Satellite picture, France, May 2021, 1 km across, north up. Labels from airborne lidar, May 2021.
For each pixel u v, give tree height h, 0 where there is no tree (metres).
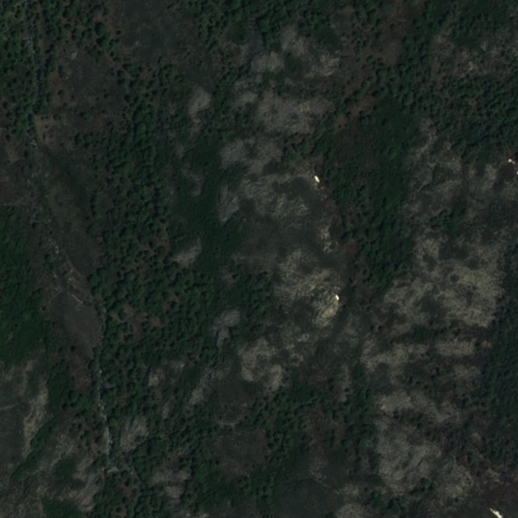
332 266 0
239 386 0
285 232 0
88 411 20
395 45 0
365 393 9
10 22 12
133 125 7
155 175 17
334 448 13
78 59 0
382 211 5
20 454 0
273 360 0
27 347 7
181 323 13
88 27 15
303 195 0
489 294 0
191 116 0
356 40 6
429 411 0
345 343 0
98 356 13
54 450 0
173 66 12
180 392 15
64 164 0
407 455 0
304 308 0
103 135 6
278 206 0
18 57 20
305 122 0
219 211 0
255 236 0
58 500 0
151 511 17
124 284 19
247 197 0
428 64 15
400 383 0
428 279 0
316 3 13
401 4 0
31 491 0
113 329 17
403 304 0
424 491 16
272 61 0
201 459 12
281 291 0
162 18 0
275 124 0
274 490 7
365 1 17
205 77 0
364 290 0
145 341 6
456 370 0
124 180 14
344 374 0
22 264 7
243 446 0
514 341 7
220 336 0
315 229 0
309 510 0
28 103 20
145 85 15
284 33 0
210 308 7
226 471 0
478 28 14
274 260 0
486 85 12
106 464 12
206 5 18
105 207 0
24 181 0
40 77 15
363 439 9
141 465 18
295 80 0
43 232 9
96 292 15
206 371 0
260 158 0
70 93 0
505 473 13
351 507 0
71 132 0
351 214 8
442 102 16
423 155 0
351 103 23
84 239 0
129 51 0
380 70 17
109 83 0
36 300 14
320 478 0
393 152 19
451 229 12
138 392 16
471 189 0
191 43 0
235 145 0
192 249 0
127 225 8
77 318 0
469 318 0
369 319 0
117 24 0
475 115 12
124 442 0
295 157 15
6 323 19
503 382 9
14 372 0
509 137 6
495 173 0
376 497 13
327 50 0
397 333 0
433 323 11
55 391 10
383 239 10
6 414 0
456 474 0
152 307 17
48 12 16
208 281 16
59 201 0
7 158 0
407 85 12
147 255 16
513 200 0
